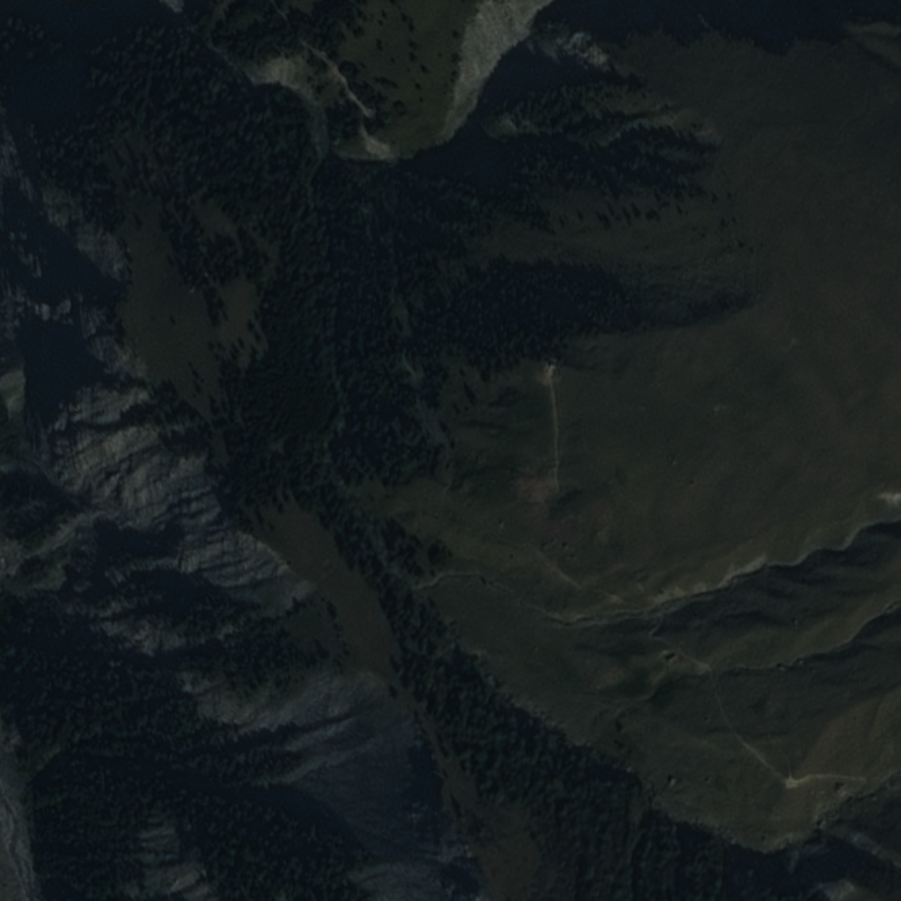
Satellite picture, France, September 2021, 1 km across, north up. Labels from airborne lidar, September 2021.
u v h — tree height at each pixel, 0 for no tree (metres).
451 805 0
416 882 0
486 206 18
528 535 0
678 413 0
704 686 0
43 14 0
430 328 6
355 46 0
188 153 8
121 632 0
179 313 0
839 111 0
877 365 0
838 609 0
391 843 0
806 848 0
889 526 0
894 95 0
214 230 0
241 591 0
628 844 6
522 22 0
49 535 7
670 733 0
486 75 0
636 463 0
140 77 21
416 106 0
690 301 0
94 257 0
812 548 0
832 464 0
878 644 0
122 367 0
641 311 0
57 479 0
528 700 0
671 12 0
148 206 0
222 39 13
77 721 26
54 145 9
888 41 0
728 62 0
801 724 0
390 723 0
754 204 0
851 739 0
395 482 6
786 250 0
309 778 0
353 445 7
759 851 0
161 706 12
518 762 7
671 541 0
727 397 0
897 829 0
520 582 0
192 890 0
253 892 6
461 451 0
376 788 0
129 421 8
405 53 0
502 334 14
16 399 0
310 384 19
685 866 8
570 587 0
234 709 0
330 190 16
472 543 0
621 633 0
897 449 0
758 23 0
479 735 8
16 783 0
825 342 0
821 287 0
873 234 0
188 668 6
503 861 0
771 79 0
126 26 9
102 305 8
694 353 0
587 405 0
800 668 0
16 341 0
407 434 23
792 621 0
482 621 0
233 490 16
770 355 0
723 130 0
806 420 0
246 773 14
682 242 0
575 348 0
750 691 0
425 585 0
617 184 0
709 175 0
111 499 0
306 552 0
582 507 0
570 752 10
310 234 17
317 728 0
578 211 0
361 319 21
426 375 9
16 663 7
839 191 0
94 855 11
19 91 20
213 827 6
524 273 9
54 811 10
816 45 0
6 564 0
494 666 0
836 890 0
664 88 0
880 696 0
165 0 0
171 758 18
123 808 12
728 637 0
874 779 0
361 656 0
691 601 0
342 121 15
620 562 0
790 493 0
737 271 0
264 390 17
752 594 0
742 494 0
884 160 0
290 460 16
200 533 0
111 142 9
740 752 0
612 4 0
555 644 0
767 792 0
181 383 0
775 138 0
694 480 0
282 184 29
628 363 0
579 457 0
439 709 15
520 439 0
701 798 0
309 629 0
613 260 0
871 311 0
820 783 0
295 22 15
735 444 0
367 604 0
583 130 8
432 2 0
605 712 0
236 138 17
